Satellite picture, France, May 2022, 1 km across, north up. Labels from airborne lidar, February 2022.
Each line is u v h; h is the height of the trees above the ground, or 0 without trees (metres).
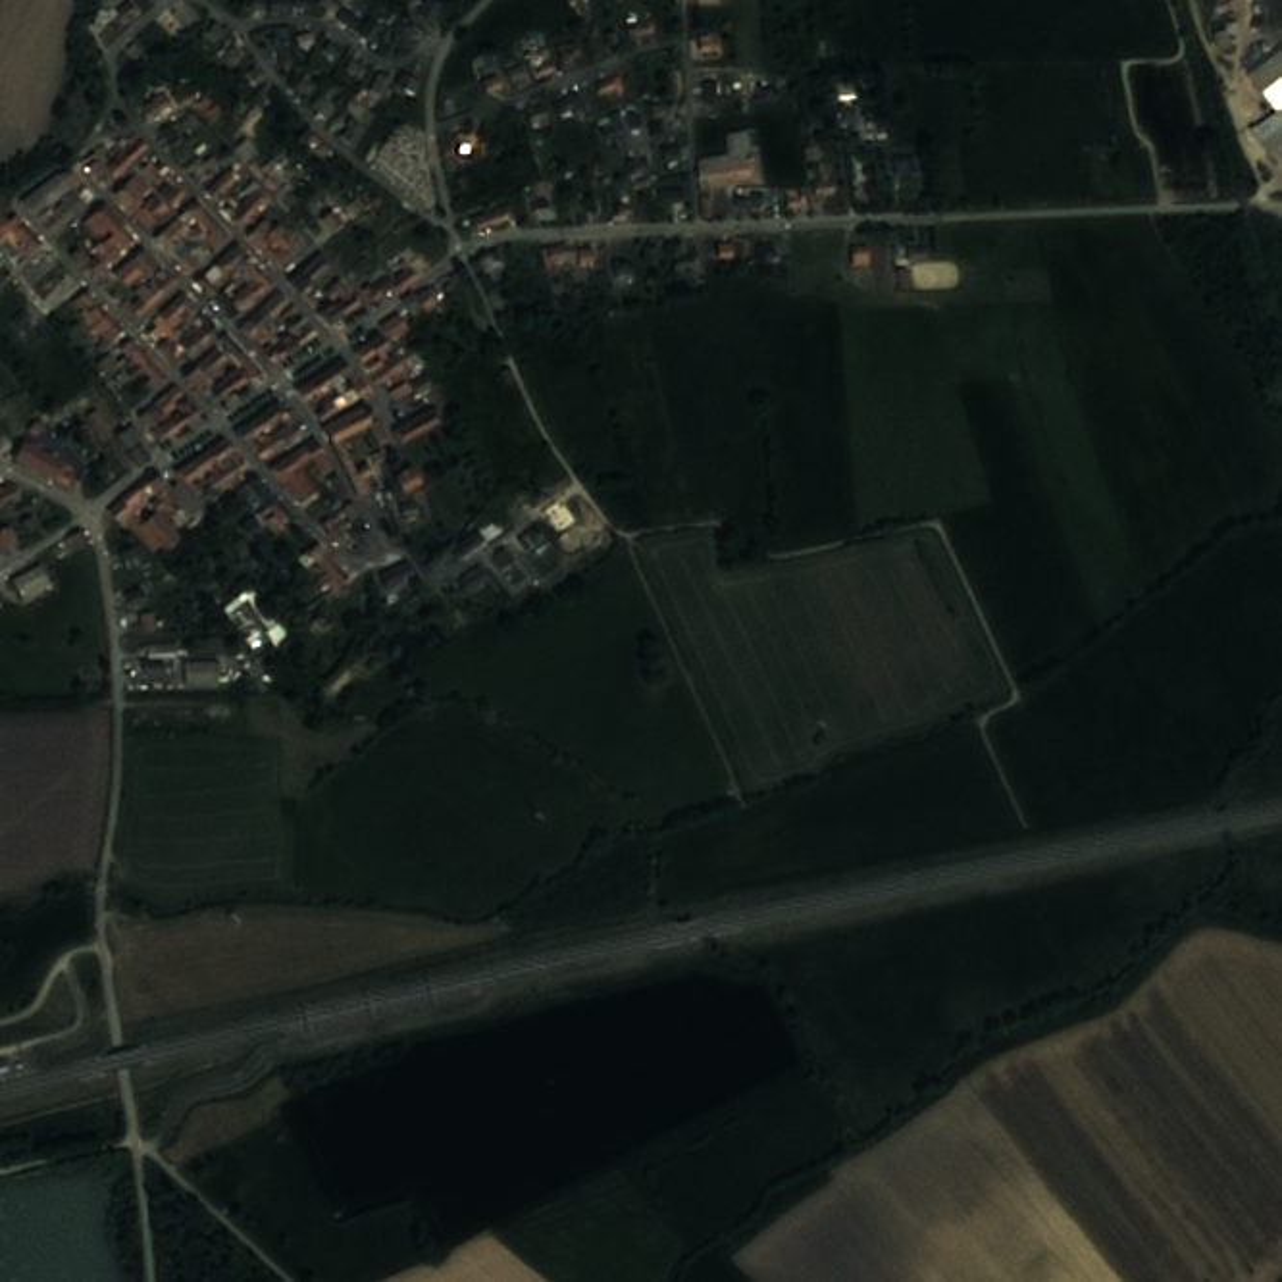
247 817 0
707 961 0
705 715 0
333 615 0
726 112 0
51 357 0
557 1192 0
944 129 0
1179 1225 0
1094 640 11
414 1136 0
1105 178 0
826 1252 0
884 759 0
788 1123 0
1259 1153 0
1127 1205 0
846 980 0
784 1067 0
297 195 6
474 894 0
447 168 0
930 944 0
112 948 0
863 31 0
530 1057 0
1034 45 0
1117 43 0
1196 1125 0
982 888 0
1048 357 0
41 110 0
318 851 0
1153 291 0
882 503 0
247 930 0
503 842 0
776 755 0
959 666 0
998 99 0
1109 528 0
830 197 0
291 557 14
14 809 0
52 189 0
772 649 0
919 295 0
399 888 0
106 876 0
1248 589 0
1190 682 0
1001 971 0
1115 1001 0
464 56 0
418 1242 13
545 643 0
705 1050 0
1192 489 0
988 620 0
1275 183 0
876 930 0
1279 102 0
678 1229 0
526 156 12
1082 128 0
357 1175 0
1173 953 0
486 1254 0
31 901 0
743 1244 0
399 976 0
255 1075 0
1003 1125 0
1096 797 0
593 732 0
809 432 0
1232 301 9
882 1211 0
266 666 9
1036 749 0
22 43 0
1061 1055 0
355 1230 0
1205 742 0
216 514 16
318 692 6
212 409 0
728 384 0
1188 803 0
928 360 0
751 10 0
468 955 0
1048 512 0
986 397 0
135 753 0
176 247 0
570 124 0
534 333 6
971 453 0
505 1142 0
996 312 0
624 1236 0
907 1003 0
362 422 0
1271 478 0
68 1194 0
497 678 0
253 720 0
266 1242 0
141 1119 0
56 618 0
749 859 0
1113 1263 0
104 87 0
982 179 0
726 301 0
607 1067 0
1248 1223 0
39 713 0
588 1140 0
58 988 0
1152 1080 0
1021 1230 0
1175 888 0
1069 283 0
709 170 0
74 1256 0
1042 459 0
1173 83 0
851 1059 0
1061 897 0
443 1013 0
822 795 0
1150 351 0
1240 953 0
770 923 0
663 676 15
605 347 0
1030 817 0
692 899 0
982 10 0
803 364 0
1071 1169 0
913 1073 0
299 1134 0
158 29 0
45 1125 0
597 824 0
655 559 0
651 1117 0
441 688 0
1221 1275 0
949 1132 0
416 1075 0
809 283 0
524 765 0
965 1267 0
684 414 0
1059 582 0
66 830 0
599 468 0
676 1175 0
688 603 0
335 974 0
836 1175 0
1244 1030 0
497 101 0
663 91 8
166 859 0
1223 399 0
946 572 0
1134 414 0
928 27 0
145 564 0
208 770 0
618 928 0
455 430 16
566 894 0
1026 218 0
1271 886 0
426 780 0
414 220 7
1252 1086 0
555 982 0
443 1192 0
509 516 0
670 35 7
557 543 0
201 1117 0
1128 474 0
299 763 0
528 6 0
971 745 0
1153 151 0
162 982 0
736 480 0
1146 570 0
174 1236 17
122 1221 9
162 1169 0
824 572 0
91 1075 0
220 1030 0
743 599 0
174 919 0
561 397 0
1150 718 0
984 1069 0
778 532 8
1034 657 0
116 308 0
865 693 0
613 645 0
